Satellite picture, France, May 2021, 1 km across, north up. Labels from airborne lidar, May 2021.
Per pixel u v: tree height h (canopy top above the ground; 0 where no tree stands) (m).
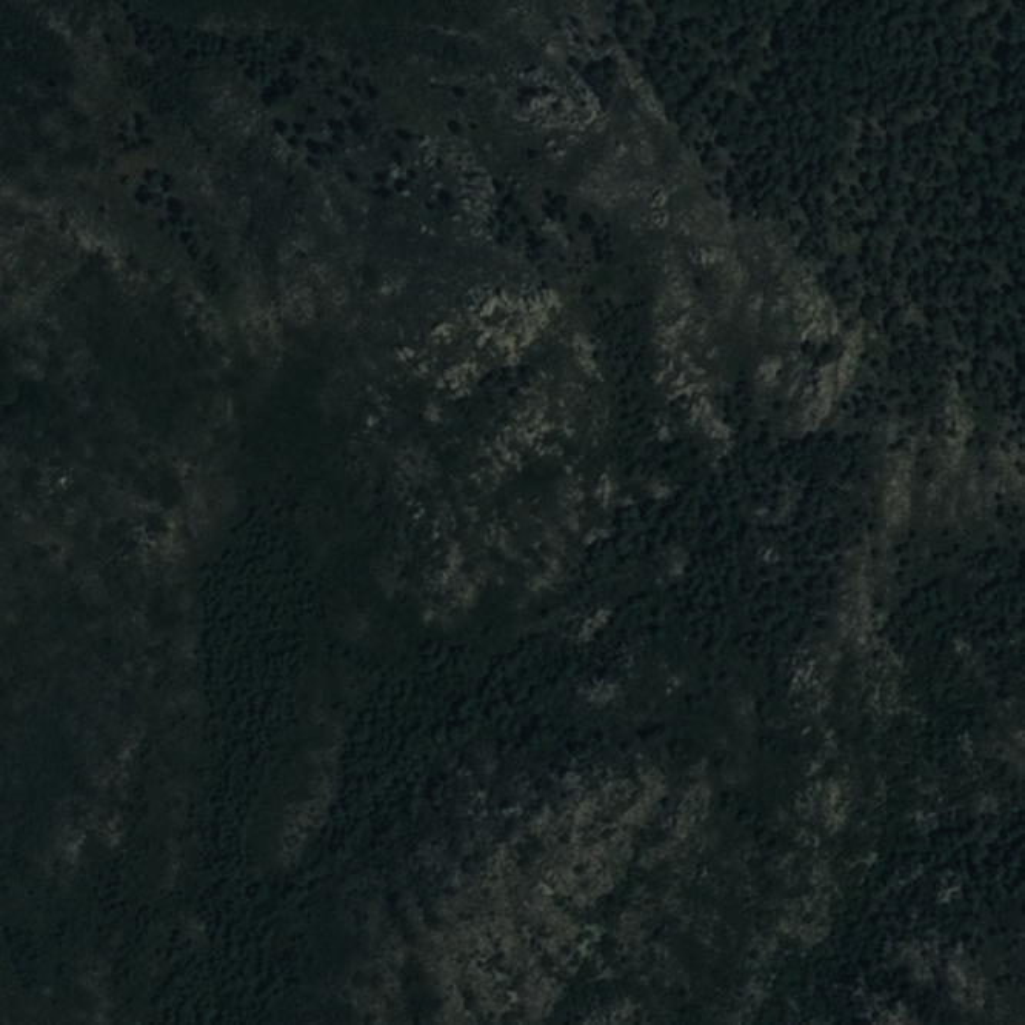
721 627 19
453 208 14
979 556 11
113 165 8
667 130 0
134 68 9
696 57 28
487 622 6
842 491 10
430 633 8
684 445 23
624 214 0
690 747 6
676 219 0
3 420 6
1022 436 10
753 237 0
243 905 18
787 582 18
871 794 13
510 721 23
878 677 7
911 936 7
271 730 15
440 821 6
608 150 0
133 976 15
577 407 0
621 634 6
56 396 6
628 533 24
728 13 26
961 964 0
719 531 21
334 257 0
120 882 11
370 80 7
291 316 0
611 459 7
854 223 12
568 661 20
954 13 32
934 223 28
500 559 6
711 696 12
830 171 22
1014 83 23
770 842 7
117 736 0
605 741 15
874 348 0
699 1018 11
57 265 0
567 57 0
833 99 22
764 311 0
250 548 12
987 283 26
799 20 29
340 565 7
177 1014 17
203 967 23
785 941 10
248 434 6
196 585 6
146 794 15
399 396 6
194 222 17
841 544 15
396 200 18
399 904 18
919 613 6
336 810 18
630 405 20
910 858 13
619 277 0
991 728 8
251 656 17
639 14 22
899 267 16
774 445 19
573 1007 11
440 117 0
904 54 24
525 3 0
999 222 27
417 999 9
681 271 0
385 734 15
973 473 0
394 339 0
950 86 25
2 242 0
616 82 15
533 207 0
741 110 25
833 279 17
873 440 10
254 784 18
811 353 18
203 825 10
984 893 14
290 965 17
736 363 0
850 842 15
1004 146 20
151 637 0
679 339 0
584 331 0
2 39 7
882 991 14
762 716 13
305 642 12
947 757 10
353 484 5
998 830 10
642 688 5
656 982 8
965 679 9
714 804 9
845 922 8
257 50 19
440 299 0
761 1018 10
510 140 0
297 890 20
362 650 5
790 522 6
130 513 0
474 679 8
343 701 5
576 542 6
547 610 14
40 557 36
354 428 6
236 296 0
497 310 0
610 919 14
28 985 11
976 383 12
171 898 7
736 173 22
